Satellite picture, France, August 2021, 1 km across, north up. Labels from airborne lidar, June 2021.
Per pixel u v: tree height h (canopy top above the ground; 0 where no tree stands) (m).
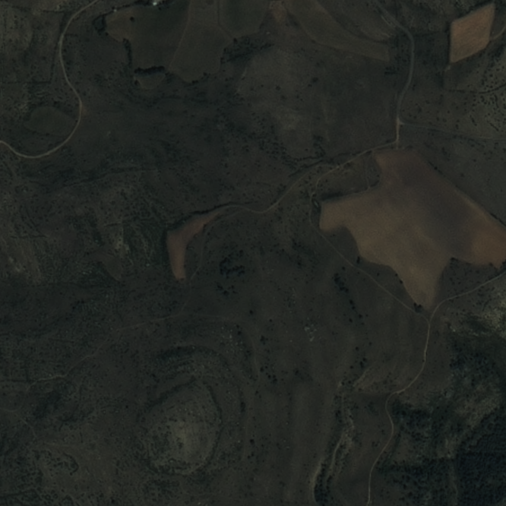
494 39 0
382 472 6
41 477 0
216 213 0
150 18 0
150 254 0
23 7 0
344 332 0
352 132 0
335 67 0
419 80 0
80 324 0
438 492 10
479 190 0
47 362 0
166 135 0
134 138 0
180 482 0
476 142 0
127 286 0
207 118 0
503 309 0
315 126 0
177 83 0
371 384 0
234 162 0
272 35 0
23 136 0
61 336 0
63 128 0
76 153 0
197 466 0
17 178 0
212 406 0
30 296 0
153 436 0
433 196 0
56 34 0
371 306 0
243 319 0
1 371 0
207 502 0
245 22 0
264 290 0
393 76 0
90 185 0
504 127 0
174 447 0
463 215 0
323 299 0
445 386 0
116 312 0
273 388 0
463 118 0
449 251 0
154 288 0
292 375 0
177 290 0
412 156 0
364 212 0
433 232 0
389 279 0
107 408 0
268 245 0
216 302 0
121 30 0
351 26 0
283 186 0
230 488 0
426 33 0
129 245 0
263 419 0
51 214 0
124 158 0
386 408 0
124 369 0
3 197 0
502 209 0
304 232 0
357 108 0
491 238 0
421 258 0
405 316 0
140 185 0
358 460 0
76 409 0
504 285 0
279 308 0
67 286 0
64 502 0
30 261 0
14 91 0
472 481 12
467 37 0
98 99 0
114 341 0
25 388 0
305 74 0
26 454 0
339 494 0
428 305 0
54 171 0
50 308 0
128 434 0
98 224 0
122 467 0
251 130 0
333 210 0
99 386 0
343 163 0
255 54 0
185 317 0
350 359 0
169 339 0
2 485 0
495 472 13
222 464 0
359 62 0
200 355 0
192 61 0
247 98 0
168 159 0
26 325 0
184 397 0
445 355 0
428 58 0
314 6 0
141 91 0
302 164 0
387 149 0
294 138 0
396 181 0
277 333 0
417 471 12
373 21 0
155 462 0
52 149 0
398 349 0
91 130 0
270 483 0
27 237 0
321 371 0
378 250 0
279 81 0
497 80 0
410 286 0
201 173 0
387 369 0
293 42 0
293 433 0
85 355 0
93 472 0
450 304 0
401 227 0
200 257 0
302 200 0
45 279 0
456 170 0
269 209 0
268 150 0
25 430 0
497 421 10
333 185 0
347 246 0
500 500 7
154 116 0
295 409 0
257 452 0
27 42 0
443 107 0
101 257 0
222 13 0
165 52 0
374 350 0
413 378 0
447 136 0
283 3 0
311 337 0
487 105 0
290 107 0
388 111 0
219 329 0
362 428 0
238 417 0
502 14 0
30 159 0
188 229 0
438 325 0
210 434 0
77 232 0
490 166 0
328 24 0
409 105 0
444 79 0
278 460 0
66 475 0
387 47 0
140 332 0
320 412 0
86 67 0
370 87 0
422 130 0
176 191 0
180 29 0
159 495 0
